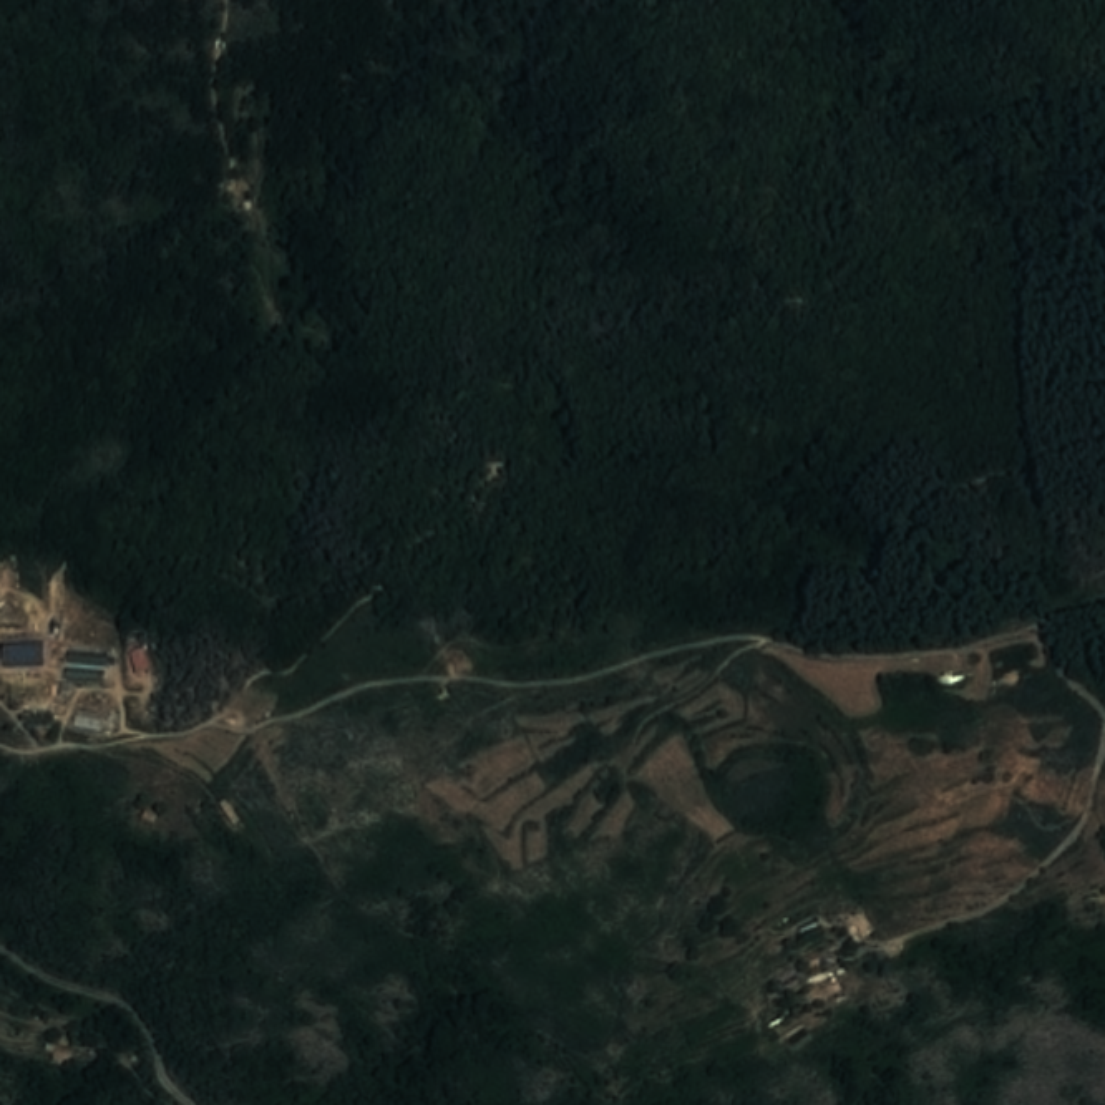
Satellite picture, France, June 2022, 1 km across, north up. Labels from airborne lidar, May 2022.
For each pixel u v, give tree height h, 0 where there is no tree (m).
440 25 14
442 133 16
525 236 9
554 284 16
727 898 6
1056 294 35
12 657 0
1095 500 30
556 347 16
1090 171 20
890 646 29
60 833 12
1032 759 0
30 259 19
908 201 19
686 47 16
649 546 15
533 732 0
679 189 15
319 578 12
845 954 9
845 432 17
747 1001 0
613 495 19
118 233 11
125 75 7
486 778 0
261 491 19
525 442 17
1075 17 10
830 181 21
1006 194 27
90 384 23
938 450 17
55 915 11
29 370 18
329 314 19
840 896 0
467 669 0
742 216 10
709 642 0
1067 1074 0
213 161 18
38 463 15
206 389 33
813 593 31
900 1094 13
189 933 14
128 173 19
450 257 12
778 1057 0
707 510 18
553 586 9
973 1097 9
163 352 15
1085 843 0
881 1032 8
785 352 12
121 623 14
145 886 8
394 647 0
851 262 14
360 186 20
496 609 10
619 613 11
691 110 11
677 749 0
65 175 9
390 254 15
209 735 0
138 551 13
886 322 19
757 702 0
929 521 28
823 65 26
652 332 12
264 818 0
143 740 0
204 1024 8
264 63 14
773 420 24
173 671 10
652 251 25
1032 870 0
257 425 26
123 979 11
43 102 17
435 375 12
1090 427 27
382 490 19
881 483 31
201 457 19
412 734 0
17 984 7
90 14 9
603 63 11
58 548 10
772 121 14
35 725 9
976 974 7
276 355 27
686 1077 7
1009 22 15
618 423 15
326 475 12
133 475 18
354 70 26
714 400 22
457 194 21
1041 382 38
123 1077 9
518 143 20
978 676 0
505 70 12
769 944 0
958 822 0
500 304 16
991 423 18
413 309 14
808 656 12
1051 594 6
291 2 14
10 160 16
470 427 10
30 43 17
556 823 8
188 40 14
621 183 20
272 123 22
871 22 23
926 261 16
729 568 12
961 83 12
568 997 0
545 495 16
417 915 8
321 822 0
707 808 0
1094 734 0
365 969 7
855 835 0
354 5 27
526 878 0
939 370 18
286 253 6
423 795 0
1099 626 32
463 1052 8
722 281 14
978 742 0
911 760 0
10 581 0
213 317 20
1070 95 15
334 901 0
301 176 20
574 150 20
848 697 0
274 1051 12
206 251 18
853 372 18
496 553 13
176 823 0
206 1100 6
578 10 14
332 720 0
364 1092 15
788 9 16
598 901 0
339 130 24
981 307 26
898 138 22
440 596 6
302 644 13
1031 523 12
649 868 0
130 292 24
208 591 15
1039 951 12
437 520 12
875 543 8
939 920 0
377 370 23
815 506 18
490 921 0
